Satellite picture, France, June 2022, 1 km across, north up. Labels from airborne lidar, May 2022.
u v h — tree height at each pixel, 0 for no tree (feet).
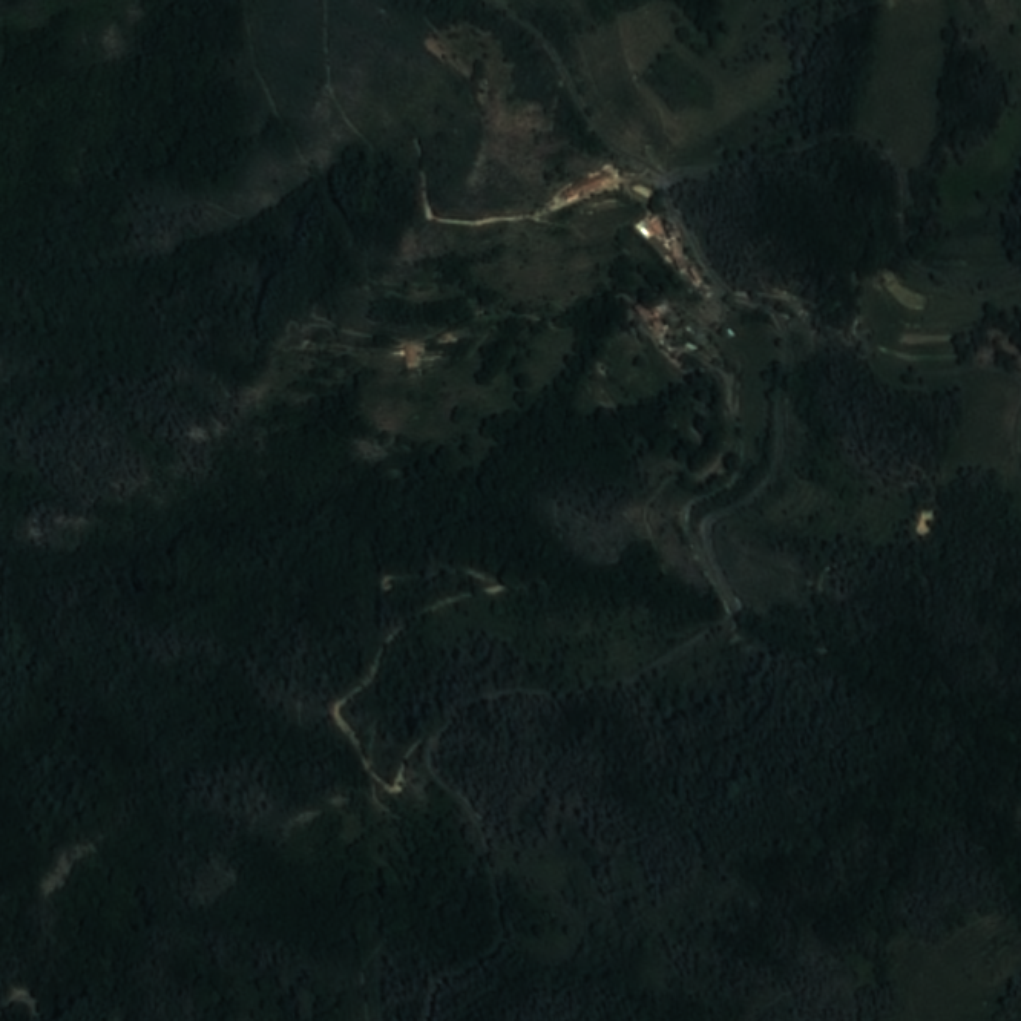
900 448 45
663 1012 35
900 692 54
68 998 49
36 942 60
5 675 87
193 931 62
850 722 57
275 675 24
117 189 54
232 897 32
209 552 60
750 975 41
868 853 22
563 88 19
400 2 21
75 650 50
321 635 28
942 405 60
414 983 43
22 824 76
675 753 56
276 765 31
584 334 53
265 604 67
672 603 32
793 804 82
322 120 0
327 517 99
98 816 97
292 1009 43
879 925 60
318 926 49
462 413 56
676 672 0
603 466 28
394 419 0
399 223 22
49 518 41
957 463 0
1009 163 0
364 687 23
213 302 17
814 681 34
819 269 33
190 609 76
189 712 52
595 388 0
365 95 0
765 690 39
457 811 30
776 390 24
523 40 32
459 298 28
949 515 38
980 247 0
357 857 43
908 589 34
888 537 0
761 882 45
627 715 48
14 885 64
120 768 65
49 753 74
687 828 34
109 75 41
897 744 88
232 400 29
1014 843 31
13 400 23
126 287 65
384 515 33
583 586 52
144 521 52
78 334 45
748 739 72
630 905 52
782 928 42
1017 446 0
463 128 0
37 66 44
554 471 21
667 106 0
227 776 23
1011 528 66
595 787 49
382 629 24
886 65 0
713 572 0
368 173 63
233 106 54
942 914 40
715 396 55
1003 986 0
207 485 31
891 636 33
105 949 53
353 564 70
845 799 44
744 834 68
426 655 23
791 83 33
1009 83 23
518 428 67
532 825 30
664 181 0
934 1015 0
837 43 46
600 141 28
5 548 79
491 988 60
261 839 28
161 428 37
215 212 0
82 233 44
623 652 0
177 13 73
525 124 0
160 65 67
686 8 28
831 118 43
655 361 0
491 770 33
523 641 20
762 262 24
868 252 47
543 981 42
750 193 37
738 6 0
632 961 27
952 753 40
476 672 37
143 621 67
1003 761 48
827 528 0
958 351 26
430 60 0
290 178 0
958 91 42
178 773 46
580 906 30
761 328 0
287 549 73
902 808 24
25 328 38
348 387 41
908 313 0
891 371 0
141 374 46
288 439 62
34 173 72
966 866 50
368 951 25
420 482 91
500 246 24
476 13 26
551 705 38
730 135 0
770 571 0
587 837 43
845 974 42
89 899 32
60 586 55
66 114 46
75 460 40
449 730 26
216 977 55
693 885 36
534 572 42
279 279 66
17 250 75
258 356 24
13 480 42
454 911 45
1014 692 35
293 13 0
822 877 42
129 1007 66
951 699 36
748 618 52
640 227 0
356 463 31
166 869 50
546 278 0
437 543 55
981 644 50
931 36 0
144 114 60
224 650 41
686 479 50
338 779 38
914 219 48
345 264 27
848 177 49
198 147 31
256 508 83
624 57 0
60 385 34
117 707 85
